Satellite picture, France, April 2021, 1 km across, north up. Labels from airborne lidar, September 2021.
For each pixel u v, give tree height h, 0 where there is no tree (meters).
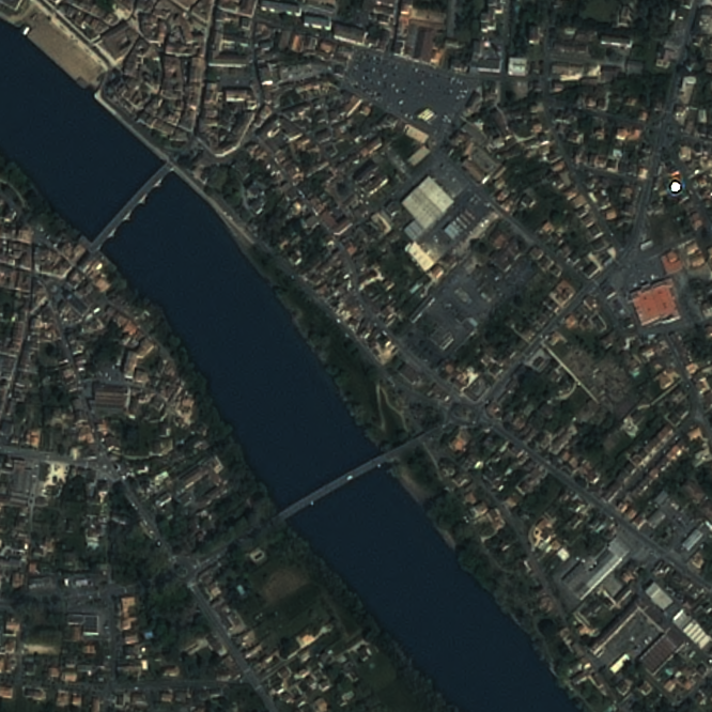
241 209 6
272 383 0
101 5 10
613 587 0
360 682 7
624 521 0
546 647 18
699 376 0
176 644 14
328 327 9
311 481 0
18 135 0
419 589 0
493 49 0
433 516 23
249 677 0
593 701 12
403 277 7
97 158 0
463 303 0
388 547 0
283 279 8
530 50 26
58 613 19
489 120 12
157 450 0
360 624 6
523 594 15
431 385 11
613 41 0
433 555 0
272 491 0
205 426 7
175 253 0
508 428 16
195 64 0
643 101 8
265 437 0
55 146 0
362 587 0
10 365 0
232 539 12
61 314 0
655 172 0
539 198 0
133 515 8
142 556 30
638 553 0
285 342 0
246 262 0
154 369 8
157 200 0
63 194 0
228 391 0
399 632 0
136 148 0
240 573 15
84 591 0
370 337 7
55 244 0
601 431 7
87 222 0
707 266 0
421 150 0
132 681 7
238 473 17
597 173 0
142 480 8
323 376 0
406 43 0
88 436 0
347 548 0
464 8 10
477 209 0
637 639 0
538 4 13
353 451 0
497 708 0
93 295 13
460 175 0
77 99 0
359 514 0
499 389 0
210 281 0
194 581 0
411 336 7
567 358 0
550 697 0
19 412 8
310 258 8
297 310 0
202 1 0
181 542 10
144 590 16
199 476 0
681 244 0
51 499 0
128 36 0
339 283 8
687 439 6
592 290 0
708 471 9
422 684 20
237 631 0
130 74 0
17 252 0
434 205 0
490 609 0
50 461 0
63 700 0
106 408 0
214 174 23
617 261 0
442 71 0
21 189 8
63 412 9
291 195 0
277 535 26
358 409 16
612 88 7
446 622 0
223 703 12
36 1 0
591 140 15
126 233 0
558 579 0
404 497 0
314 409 0
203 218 0
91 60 0
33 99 0
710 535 0
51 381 6
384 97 0
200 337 0
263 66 0
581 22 12
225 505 12
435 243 0
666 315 0
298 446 0
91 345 7
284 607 0
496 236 0
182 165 10
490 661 0
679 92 6
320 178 9
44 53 0
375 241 7
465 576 0
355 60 0
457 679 0
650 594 0
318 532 0
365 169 0
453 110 0
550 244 7
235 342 0
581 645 6
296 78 0
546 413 0
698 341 8
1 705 6
